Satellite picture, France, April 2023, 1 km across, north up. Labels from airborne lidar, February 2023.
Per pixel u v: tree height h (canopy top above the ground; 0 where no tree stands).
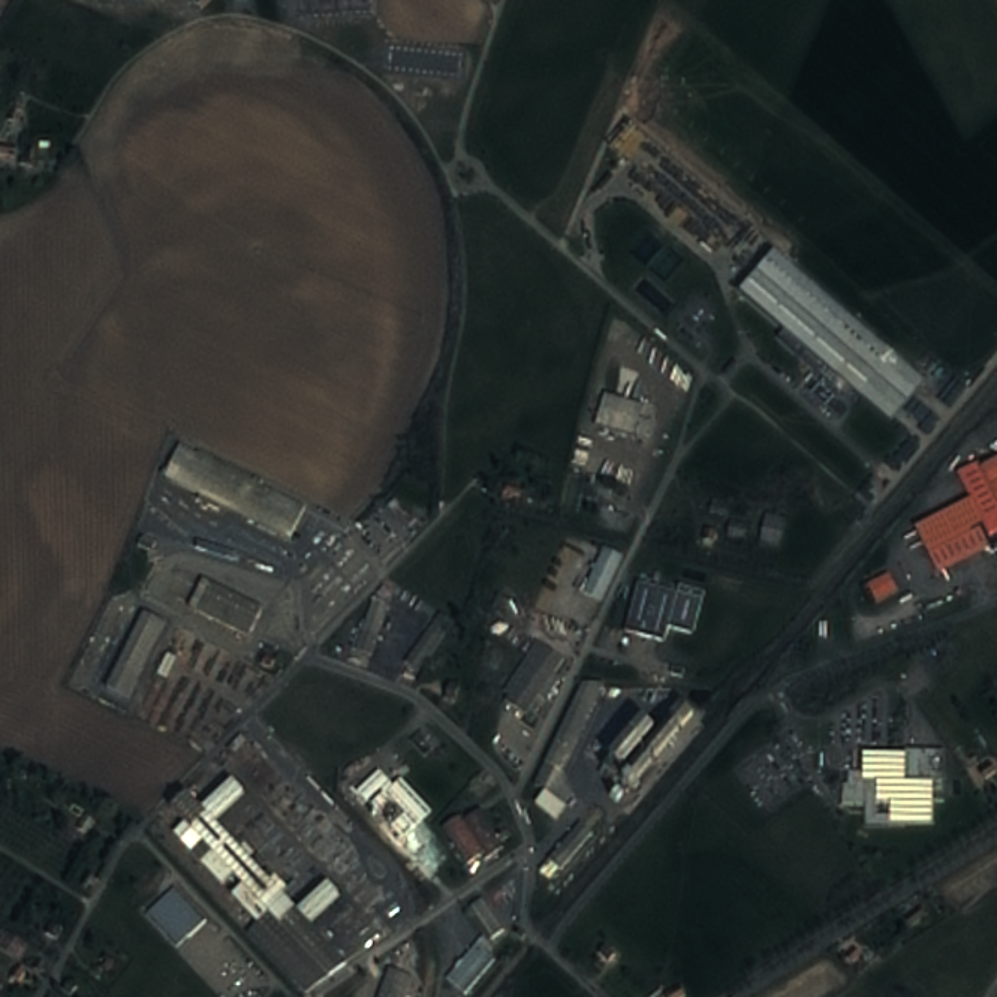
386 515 0
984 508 0
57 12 0
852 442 0
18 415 0
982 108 0
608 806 0
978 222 0
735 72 0
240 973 0
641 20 0
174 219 0
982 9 0
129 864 0
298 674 0
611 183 0
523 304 0
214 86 0
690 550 10
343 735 0
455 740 0
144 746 0
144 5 0
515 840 0
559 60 0
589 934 0
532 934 0
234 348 0
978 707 0
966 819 0
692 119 0
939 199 0
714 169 0
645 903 0
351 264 0
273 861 0
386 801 0
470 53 0
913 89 0
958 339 0
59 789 13
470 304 0
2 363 0
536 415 0
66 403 0
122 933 0
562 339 0
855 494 0
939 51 0
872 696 0
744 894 0
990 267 0
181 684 0
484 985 0
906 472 0
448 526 0
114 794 0
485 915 0
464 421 0
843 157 0
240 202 0
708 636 0
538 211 0
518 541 0
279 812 0
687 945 0
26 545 0
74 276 0
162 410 0
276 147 0
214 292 0
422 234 0
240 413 0
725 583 0
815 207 0
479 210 0
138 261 0
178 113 0
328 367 0
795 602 0
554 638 0
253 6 0
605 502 0
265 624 0
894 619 0
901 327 0
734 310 0
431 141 0
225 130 0
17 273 0
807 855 0
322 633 0
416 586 0
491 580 0
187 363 0
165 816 0
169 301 0
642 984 0
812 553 0
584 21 0
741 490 0
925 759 0
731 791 0
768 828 0
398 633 0
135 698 0
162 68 0
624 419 0
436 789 0
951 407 0
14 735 0
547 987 0
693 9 0
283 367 0
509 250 0
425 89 0
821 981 0
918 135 0
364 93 0
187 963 0
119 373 0
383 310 0
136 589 0
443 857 0
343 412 0
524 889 0
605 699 0
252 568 0
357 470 0
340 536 0
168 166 0
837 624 0
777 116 0
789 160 0
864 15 0
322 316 0
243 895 0
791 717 0
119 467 0
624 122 0
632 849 0
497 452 0
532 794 0
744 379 0
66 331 0
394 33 0
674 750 0
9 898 8
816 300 0
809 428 0
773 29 0
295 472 0
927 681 0
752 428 0
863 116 0
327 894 0
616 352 0
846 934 16
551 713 0
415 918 0
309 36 0
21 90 17
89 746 0
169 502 0
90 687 0
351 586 0
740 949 0
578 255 0
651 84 0
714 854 0
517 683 0
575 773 0
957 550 0
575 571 0
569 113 0
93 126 0
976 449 0
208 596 0
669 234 0
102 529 0
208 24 0
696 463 0
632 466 0
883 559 0
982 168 0
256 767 0
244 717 0
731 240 0
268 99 0
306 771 0
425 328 0
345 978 0
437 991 0
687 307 0
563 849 0
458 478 0
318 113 0
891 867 0
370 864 0
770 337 0
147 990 0
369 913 0
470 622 9
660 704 0
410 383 0
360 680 0
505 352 0
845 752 0
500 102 0
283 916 0
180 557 0
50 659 0
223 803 0
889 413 0
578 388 0
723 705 0
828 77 0
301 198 0
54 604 0
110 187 0
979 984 0
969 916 0
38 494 0
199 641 0
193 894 0
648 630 0
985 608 0
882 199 0
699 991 0
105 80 0
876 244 0
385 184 0
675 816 0
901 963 0
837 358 0
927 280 0
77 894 0
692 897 0
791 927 0
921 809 0
